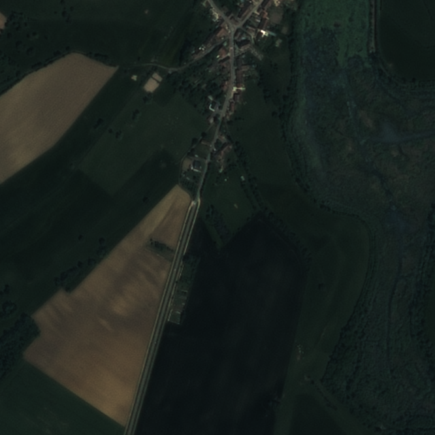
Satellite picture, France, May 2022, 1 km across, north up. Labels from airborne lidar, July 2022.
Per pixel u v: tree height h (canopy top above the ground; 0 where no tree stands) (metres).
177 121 0
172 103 0
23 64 0
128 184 0
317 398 0
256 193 12
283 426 0
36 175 0
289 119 5
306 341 0
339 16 0
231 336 0
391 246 0
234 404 0
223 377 0
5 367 20
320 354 0
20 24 17
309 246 0
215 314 0
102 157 0
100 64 0
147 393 0
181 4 0
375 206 0
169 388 0
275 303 0
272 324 0
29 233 0
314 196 6
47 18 0
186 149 0
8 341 20
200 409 0
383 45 0
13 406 0
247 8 0
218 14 0
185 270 0
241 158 13
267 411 0
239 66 0
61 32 0
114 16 0
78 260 0
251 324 0
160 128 0
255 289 0
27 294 0
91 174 0
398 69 0
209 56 9
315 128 0
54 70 0
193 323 0
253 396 0
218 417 0
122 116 0
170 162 0
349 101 0
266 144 0
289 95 7
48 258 0
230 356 0
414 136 0
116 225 0
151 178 0
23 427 0
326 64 0
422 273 7
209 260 0
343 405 10
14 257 0
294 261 0
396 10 0
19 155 0
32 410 0
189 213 0
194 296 0
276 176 0
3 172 0
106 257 12
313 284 0
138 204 0
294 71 12
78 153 0
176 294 0
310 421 0
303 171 7
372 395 6
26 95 0
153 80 0
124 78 0
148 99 17
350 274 0
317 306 0
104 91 0
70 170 0
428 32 0
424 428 19
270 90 11
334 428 0
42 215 0
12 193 0
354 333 8
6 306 19
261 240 0
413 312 6
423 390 7
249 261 0
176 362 0
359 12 0
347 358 8
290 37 7
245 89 0
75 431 0
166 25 0
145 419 0
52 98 0
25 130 0
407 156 0
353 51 0
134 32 0
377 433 13
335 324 0
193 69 8
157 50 0
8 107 0
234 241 0
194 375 0
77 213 0
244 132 0
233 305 0
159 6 0
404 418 14
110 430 0
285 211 0
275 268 0
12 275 0
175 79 7
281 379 0
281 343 0
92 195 0
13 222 0
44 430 0
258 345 0
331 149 0
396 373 6
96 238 0
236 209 0
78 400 0
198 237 0
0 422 0
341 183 0
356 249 0
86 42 0
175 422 0
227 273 0
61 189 0
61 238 0
